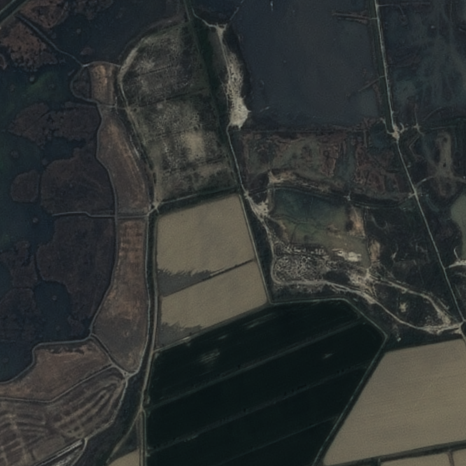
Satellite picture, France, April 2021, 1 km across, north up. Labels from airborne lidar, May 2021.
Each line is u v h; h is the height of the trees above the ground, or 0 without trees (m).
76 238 0
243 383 0
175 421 0
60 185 0
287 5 0
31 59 0
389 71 0
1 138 0
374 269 0
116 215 0
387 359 0
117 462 0
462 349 0
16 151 0
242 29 0
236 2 0
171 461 0
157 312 0
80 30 0
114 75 0
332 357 0
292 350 0
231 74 0
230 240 0
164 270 0
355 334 0
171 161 0
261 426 0
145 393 8
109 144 0
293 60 0
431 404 0
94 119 0
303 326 0
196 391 0
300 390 8
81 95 0
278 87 0
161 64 0
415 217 0
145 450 0
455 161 0
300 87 0
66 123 0
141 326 0
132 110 0
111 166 0
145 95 0
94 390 0
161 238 0
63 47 0
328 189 0
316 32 0
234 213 0
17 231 0
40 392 0
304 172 0
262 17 0
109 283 0
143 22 0
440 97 0
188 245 0
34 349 0
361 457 0
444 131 0
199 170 0
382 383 0
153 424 0
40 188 0
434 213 0
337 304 0
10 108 0
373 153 0
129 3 0
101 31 0
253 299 0
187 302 0
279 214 0
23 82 0
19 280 0
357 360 0
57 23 0
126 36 0
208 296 0
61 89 0
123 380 0
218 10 0
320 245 0
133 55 0
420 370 0
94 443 0
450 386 0
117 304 0
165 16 0
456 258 0
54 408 0
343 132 0
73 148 0
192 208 0
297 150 0
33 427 0
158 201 0
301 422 0
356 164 0
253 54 0
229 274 0
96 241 0
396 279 0
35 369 0
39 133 0
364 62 0
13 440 0
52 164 0
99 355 0
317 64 0
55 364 0
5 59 0
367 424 0
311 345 0
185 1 0
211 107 0
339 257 0
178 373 0
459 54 0
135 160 0
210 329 0
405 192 0
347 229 0
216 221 0
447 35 0
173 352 0
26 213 0
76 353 0
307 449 0
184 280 0
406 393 0
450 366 0
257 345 0
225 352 0
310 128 0
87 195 0
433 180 0
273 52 0
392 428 0
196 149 0
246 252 0
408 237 0
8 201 0
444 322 0
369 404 0
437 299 0
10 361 0
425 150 0
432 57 0
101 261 0
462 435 0
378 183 0
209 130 0
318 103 0
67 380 0
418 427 0
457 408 0
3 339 0
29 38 0
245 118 0
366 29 0
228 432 0
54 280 0
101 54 0
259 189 0
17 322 0
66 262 0
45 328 0
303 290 0
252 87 0
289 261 0
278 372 0
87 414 0
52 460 0
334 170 0
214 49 0
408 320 0
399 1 0
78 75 0
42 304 0
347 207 0
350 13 0
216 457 0
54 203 0
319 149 0
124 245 0
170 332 0
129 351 0
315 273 0
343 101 0
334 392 0
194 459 0
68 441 0
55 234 0
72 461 0
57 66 0
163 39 0
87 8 0
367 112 0
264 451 0
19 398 0
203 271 0
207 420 0
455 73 0
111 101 0
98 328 0
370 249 0
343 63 0
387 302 0
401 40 0
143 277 0
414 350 0
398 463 0
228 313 0
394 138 6
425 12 0
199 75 0
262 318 0
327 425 0
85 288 0
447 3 0
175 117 0
